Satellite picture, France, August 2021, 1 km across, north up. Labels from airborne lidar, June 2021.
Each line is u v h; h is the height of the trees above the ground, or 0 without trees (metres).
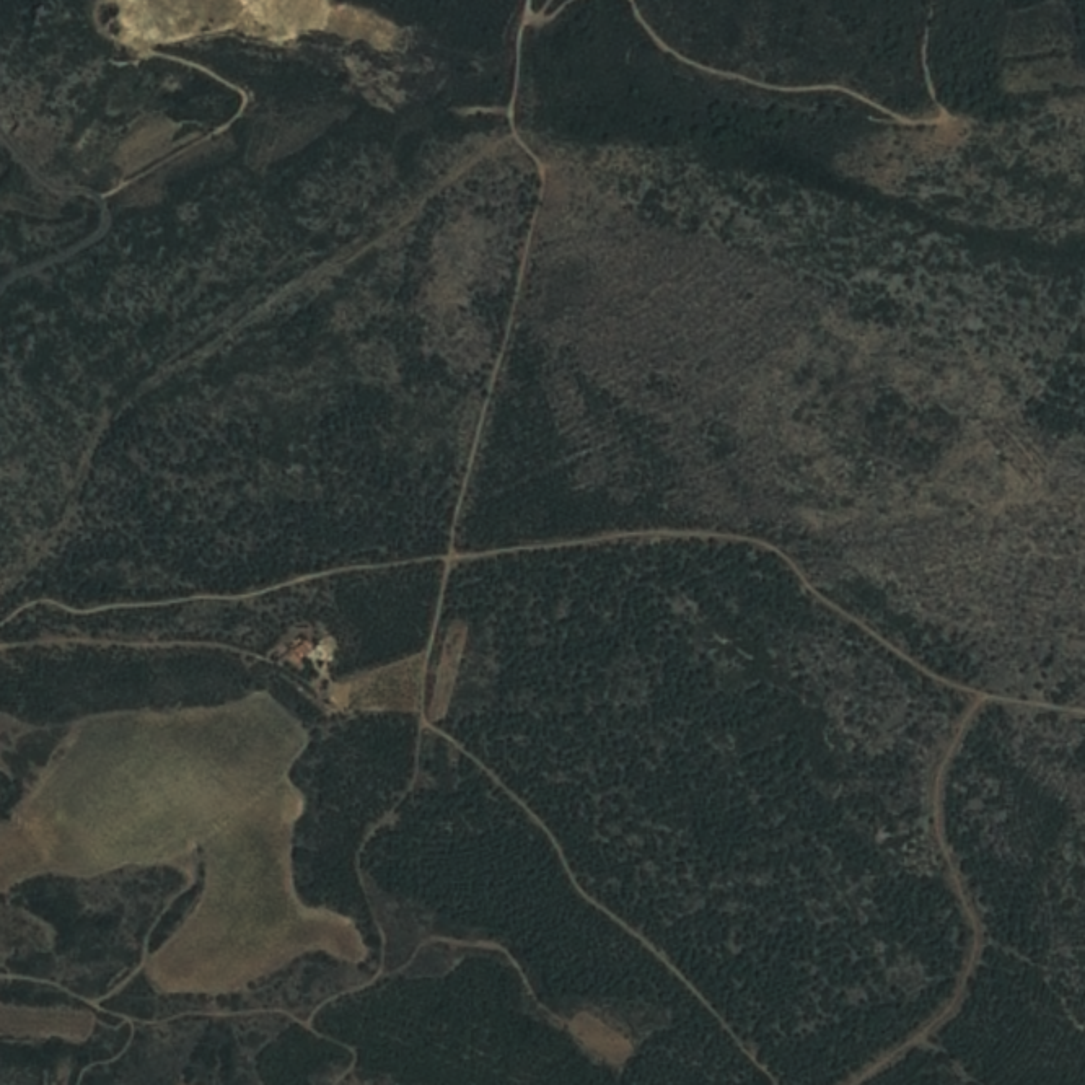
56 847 0
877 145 0
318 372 0
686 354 0
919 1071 9
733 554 7
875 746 0
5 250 0
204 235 0
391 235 0
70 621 7
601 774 6
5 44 0
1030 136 0
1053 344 0
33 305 0
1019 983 8
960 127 0
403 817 6
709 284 0
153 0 0
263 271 0
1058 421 6
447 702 0
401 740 6
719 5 0
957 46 10
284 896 0
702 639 0
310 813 0
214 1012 0
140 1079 0
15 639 6
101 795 0
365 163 0
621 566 7
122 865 0
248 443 7
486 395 8
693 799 6
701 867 6
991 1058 8
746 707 7
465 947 0
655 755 8
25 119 0
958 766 6
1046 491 0
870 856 8
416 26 0
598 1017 0
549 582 7
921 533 0
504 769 7
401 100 0
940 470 0
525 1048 6
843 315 0
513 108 0
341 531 7
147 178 0
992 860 6
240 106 0
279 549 6
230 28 0
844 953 8
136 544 8
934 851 0
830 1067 8
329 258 0
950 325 0
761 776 8
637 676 6
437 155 0
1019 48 0
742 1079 9
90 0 0
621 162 0
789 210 0
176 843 0
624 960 7
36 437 0
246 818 0
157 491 7
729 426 0
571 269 0
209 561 8
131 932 0
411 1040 7
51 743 0
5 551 0
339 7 0
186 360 0
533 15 0
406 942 0
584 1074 6
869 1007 7
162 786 0
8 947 0
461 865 7
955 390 0
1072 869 0
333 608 7
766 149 7
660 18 0
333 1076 0
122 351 0
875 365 0
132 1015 0
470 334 0
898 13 6
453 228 0
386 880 7
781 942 10
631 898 6
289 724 0
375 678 0
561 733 7
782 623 7
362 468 6
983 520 0
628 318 0
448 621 6
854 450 0
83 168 0
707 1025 8
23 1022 0
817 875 7
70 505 0
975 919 0
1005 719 6
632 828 8
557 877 7
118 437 8
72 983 0
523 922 7
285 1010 0
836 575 0
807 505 0
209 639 6
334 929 0
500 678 6
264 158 0
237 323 0
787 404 0
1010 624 0
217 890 0
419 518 7
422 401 0
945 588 0
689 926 6
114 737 0
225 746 0
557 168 0
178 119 5
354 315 0
